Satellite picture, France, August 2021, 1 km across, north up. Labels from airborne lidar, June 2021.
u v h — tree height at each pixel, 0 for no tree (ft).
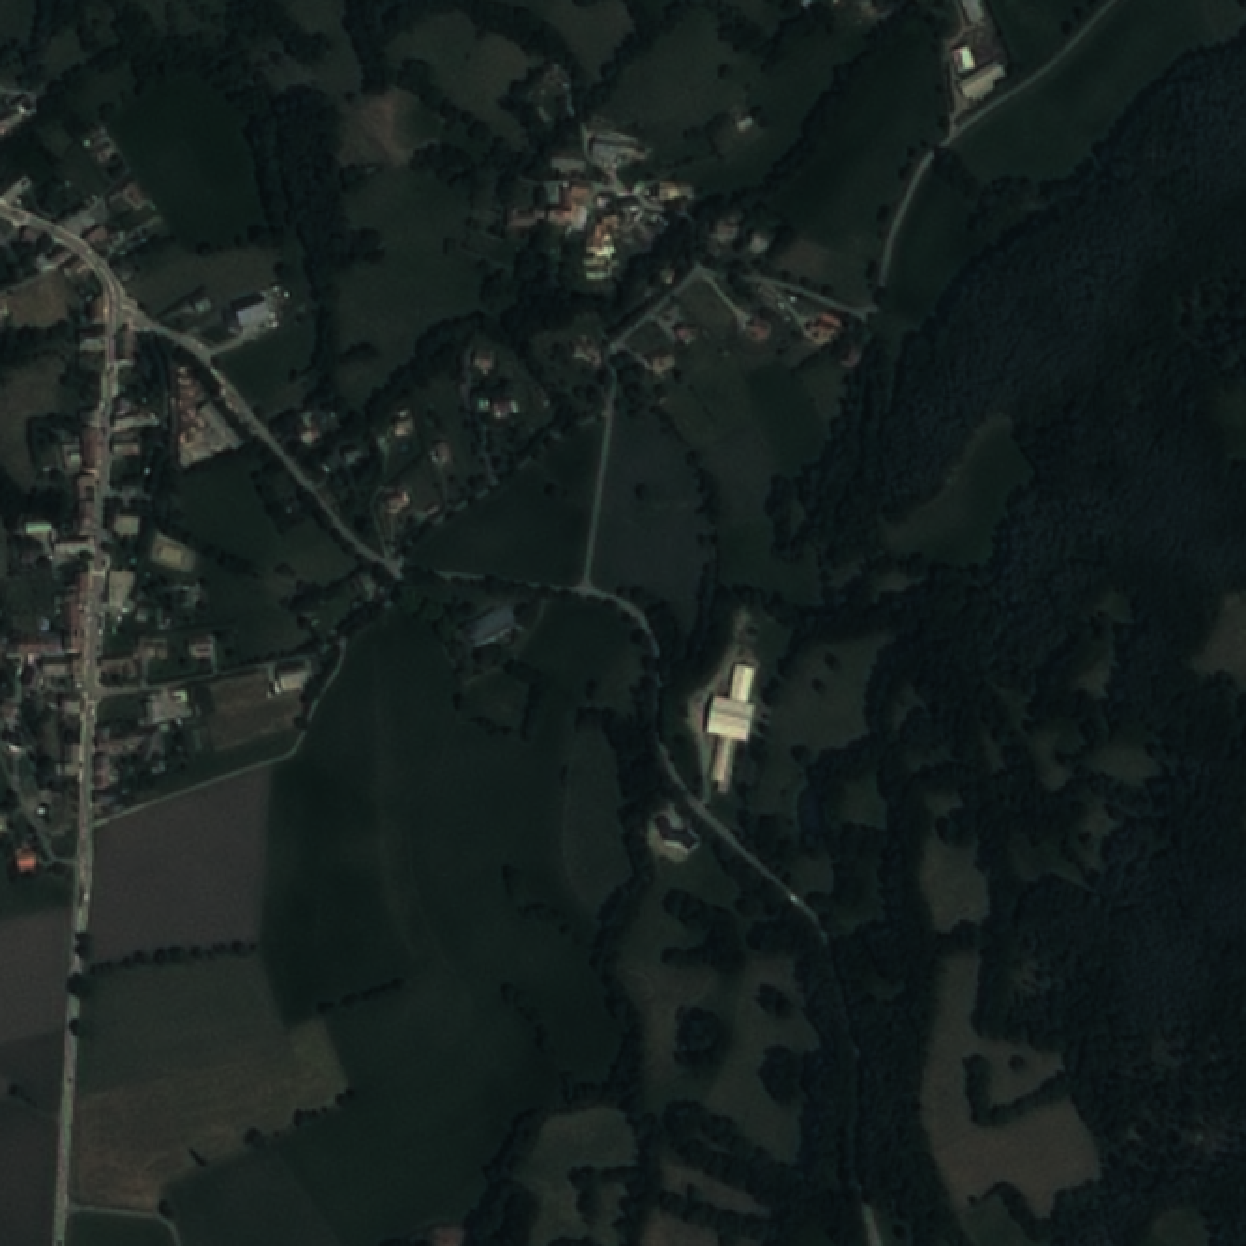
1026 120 0
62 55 0
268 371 0
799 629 48
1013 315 67
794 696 0
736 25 37
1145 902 75
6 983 0
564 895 0
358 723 0
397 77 34
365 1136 0
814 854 55
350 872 0
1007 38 24
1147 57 0
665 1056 0
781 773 0
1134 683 63
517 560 0
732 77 32
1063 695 66
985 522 0
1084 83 0
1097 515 65
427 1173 0
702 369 0
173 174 0
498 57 0
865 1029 72
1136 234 72
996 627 55
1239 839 69
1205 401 68
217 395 36
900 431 59
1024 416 61
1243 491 74
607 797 0
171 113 0
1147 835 66
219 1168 0
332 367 39
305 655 27
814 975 71
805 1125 0
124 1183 0
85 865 0
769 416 0
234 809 0
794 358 0
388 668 0
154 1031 0
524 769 0
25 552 23
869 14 0
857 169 0
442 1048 0
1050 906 67
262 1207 0
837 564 52
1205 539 62
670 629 46
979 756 55
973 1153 0
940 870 0
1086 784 37
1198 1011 64
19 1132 0
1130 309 59
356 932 0
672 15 34
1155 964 71
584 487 0
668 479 0
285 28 73
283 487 0
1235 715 45
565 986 0
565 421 28
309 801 0
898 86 0
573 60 43
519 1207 67
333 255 71
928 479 73
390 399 51
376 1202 0
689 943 0
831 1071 78
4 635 38
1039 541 68
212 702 0
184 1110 0
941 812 0
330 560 0
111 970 24
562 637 0
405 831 0
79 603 0
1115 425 69
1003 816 52
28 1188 0
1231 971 57
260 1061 0
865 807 0
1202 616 73
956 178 52
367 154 0
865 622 77
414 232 0
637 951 0
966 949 46
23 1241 0
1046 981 42
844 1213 64
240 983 0
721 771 0
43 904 0
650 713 29
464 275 0
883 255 0
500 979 0
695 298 0
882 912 0
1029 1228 47
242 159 0
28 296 0
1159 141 68
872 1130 64
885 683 52
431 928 0
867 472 72
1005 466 0
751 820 45
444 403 0
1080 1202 48
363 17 55
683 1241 0
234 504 0
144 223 0
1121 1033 78
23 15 0
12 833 26
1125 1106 79
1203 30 0
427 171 36
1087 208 79
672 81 0
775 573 0
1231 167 56
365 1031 0
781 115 0
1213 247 61
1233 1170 78
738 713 0
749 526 0
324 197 68
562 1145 0
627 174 0
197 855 0
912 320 0
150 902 0
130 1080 0
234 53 61
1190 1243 0
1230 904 71
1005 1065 0
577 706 0
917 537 0
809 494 55
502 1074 0
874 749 58
